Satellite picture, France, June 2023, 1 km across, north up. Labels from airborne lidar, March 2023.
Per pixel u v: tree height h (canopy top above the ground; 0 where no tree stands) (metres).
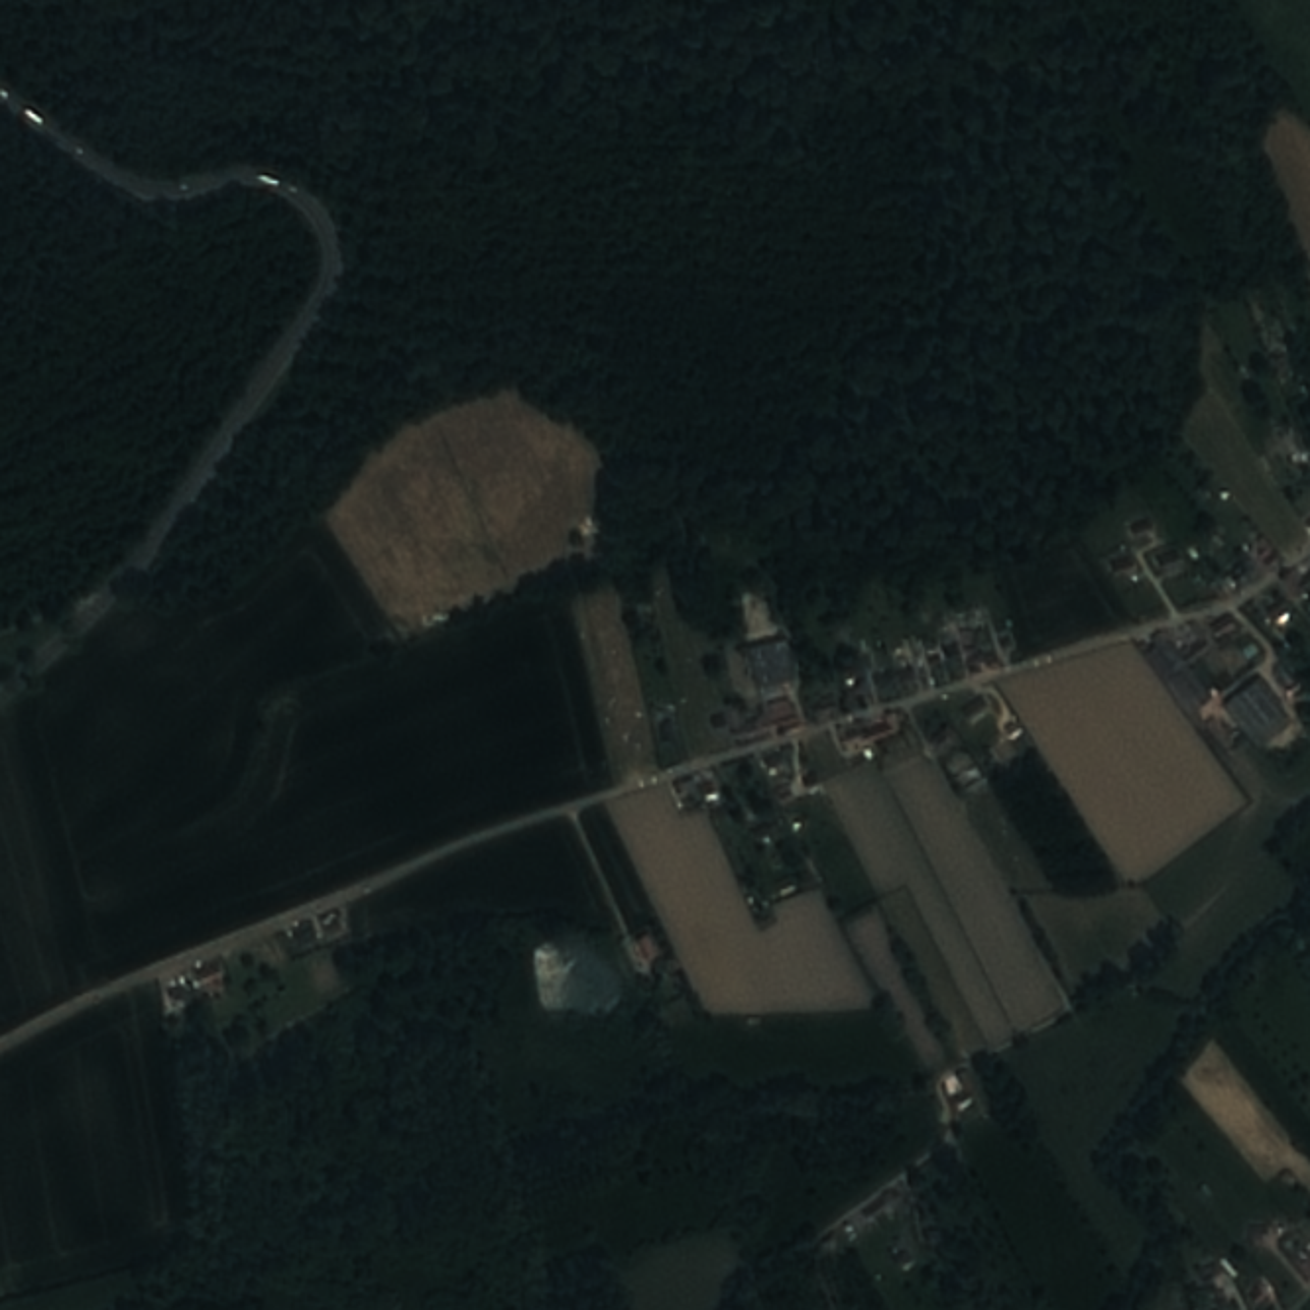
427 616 0
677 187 12
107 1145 0
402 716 0
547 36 32
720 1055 0
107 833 0
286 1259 20
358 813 0
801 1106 18
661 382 17
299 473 22
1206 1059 0
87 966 0
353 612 0
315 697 0
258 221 14
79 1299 0
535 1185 31
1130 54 28
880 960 0
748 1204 10
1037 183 37
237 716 0
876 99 15
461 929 20
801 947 0
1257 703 0
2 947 0
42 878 0
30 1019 0
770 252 14
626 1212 0
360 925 0
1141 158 0
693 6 14
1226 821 0
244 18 28
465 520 0
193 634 0
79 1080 0
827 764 0
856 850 0
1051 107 25
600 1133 23
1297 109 6
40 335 16
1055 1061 0
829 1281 7
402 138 21
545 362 28
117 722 0
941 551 25
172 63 30
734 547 0
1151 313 34
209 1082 23
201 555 13
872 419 34
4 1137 0
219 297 13
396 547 0
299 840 0
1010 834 0
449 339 25
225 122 17
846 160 16
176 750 0
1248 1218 0
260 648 0
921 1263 0
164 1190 0
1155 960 23
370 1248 6
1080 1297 0
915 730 0
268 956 0
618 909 0
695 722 0
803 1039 0
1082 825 12
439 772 0
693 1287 0
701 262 11
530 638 0
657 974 14
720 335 18
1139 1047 0
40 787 0
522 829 0
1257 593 0
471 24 17
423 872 0
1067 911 0
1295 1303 0
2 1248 0
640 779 0
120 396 14
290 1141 6
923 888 0
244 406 0
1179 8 14
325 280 0
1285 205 12
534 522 0
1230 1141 0
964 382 32
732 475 32
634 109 25
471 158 13
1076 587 0
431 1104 35
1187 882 0
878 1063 0
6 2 27
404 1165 7
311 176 10
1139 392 34
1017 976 0
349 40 31
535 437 0
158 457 13
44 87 21
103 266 21
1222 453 0
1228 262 15
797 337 15
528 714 0
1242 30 10
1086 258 36
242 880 0
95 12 33
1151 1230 8
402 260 18
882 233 15
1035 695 0
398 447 0
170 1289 16
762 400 21
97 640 0
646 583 19
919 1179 17
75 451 14
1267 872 0
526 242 16
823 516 31
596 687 0
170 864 0
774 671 0
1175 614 0
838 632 0
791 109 31
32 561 12
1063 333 37
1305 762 0
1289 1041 0
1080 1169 0
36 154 23
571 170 13
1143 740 0
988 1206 9
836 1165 10
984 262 35
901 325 23
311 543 0
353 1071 9
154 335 13
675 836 0
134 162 25
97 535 12
